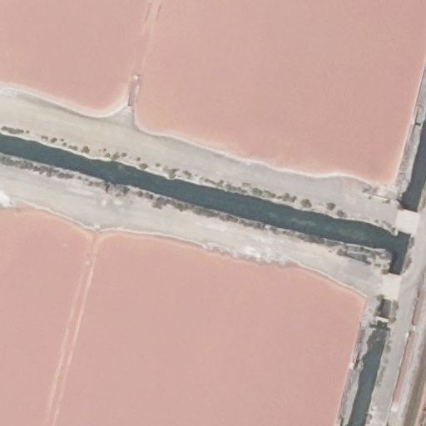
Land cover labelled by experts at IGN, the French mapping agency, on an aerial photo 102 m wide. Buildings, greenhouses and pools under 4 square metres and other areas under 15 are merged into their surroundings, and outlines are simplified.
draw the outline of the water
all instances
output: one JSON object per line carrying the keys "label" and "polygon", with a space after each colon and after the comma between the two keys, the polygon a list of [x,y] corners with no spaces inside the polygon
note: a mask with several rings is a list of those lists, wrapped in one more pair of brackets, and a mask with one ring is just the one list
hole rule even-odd
{"label": "water", "polygon": [[383,296],[376,308],[376,315],[373,316],[374,323],[371,323],[373,333],[369,336],[368,351],[363,356],[363,369],[359,373],[358,391],[348,426],[368,426],[366,421],[369,403],[376,384],[379,361],[388,338],[389,326],[396,321],[398,313],[398,303],[386,300]]}
{"label": "water", "polygon": [[418,411],[426,378],[426,333],[419,354],[418,371],[414,374],[413,388],[409,394],[404,411],[404,423],[401,426],[416,426],[414,416]]}
{"label": "water", "polygon": [[403,210],[418,211],[421,191],[426,185],[426,118],[419,136],[411,181],[399,198],[399,206]]}
{"label": "water", "polygon": [[180,240],[173,236],[153,235],[151,240],[130,240],[123,236],[113,236],[103,243],[100,240],[85,240],[77,231],[70,230],[60,221],[43,220],[37,216],[13,218],[15,213],[22,211],[20,206],[0,205],[0,426],[338,426],[339,406],[349,373],[353,371],[356,339],[361,326],[361,311],[351,296],[331,290],[324,283],[306,276],[301,271],[303,266],[291,261],[281,263],[258,260],[250,255],[235,256],[221,248],[203,248],[193,241]]}
{"label": "water", "polygon": [[116,161],[88,160],[68,151],[40,145],[37,141],[0,135],[0,153],[102,178],[105,181],[105,188],[110,190],[115,185],[140,188],[185,201],[191,206],[191,210],[198,215],[236,223],[238,218],[258,221],[265,226],[298,231],[303,233],[308,241],[321,245],[324,240],[329,240],[383,248],[388,253],[389,260],[391,275],[399,275],[403,271],[404,258],[411,243],[411,235],[408,233],[401,231],[398,235],[393,235],[384,228],[369,225],[364,221],[336,220],[315,211],[296,210],[291,206],[278,205],[243,193],[225,191],[195,185],[188,181],[166,180],[163,176],[136,170],[133,166]]}
{"label": "water", "polygon": [[206,140],[225,141],[226,148],[235,151],[236,155],[270,160],[275,165],[311,171],[349,171],[373,180],[381,180],[398,153],[399,141],[403,138],[404,126],[408,121],[414,83],[419,77],[419,68],[426,63],[426,0],[0,0],[0,80],[37,88],[57,97],[73,100],[80,105],[105,108],[118,98],[118,90],[126,77],[141,73],[143,85],[135,97],[135,106],[138,108],[140,120],[151,130],[178,130]]}

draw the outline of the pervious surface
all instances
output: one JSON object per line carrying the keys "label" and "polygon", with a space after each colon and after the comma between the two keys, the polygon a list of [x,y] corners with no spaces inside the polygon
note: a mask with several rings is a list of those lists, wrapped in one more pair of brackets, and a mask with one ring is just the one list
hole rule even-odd
{"label": "pervious surface", "polygon": [[398,303],[398,313],[396,321],[389,326],[388,338],[379,361],[376,384],[369,403],[366,421],[368,426],[401,426],[404,423],[404,411],[409,394],[413,388],[414,374],[418,371],[419,354],[426,333],[426,185],[421,191],[418,211],[403,210],[399,206],[399,198],[411,181],[419,136],[426,118],[426,63],[419,68],[419,77],[414,83],[408,121],[404,126],[403,138],[399,141],[398,153],[381,180],[373,180],[349,171],[311,171],[275,165],[270,160],[236,155],[235,151],[226,148],[225,141],[206,140],[178,130],[151,130],[140,120],[138,108],[135,106],[135,97],[143,85],[141,73],[126,77],[118,90],[118,98],[105,108],[80,105],[73,100],[57,97],[37,88],[0,80],[0,135],[37,141],[40,145],[68,151],[88,160],[116,161],[133,166],[136,170],[163,176],[166,180],[188,181],[195,185],[225,191],[230,185],[240,188],[241,183],[248,181],[258,190],[273,191],[276,195],[288,193],[301,200],[310,200],[315,211],[336,220],[364,221],[369,225],[384,228],[393,235],[398,235],[401,231],[408,233],[411,235],[411,243],[404,258],[403,271],[399,275],[391,275],[389,260],[369,258],[369,265],[363,265],[361,261],[339,256],[334,246],[321,245],[308,241],[290,235],[278,235],[275,231],[265,228],[258,230],[236,223],[198,215],[191,210],[178,210],[171,205],[155,208],[148,198],[138,196],[140,188],[115,185],[110,190],[105,188],[88,186],[82,180],[58,178],[40,171],[0,163],[0,205],[20,206],[22,211],[15,213],[13,218],[37,216],[43,220],[60,221],[70,230],[77,231],[85,240],[100,240],[103,243],[113,236],[123,236],[130,240],[151,240],[153,235],[173,236],[180,240],[193,241],[203,248],[221,248],[235,256],[250,255],[258,260],[281,263],[291,261],[303,266],[301,271],[306,276],[324,283],[331,290],[351,296],[361,311],[361,326],[356,339],[353,371],[349,373],[339,406],[338,426],[348,426],[358,391],[359,373],[363,369],[363,356],[368,351],[369,336],[373,333],[371,323],[374,323],[373,316],[376,315],[376,308],[383,296],[386,300]]}

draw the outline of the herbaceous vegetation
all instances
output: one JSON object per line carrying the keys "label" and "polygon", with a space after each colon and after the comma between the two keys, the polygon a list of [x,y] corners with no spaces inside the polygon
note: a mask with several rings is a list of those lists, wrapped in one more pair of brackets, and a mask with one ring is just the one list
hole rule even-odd
{"label": "herbaceous vegetation", "polygon": [[140,188],[138,196],[148,198],[155,208],[171,205],[178,210],[191,210],[191,206],[185,201]]}
{"label": "herbaceous vegetation", "polygon": [[265,226],[258,221],[238,218],[236,223],[258,230],[265,228],[275,231],[278,235],[290,235],[308,241],[303,233],[298,231]]}
{"label": "herbaceous vegetation", "polygon": [[58,178],[82,180],[88,186],[105,188],[105,181],[102,178],[0,153],[0,163],[40,171]]}
{"label": "herbaceous vegetation", "polygon": [[241,183],[240,188],[230,185],[225,191],[243,193],[278,205],[291,206],[296,210],[315,211],[310,200],[301,200],[288,193],[276,195],[273,191],[258,190],[248,181]]}
{"label": "herbaceous vegetation", "polygon": [[426,378],[418,411],[414,416],[416,426],[426,426]]}
{"label": "herbaceous vegetation", "polygon": [[389,260],[388,253],[383,248],[329,240],[324,240],[321,245],[334,246],[339,256],[361,261],[363,265],[369,265],[369,258]]}

